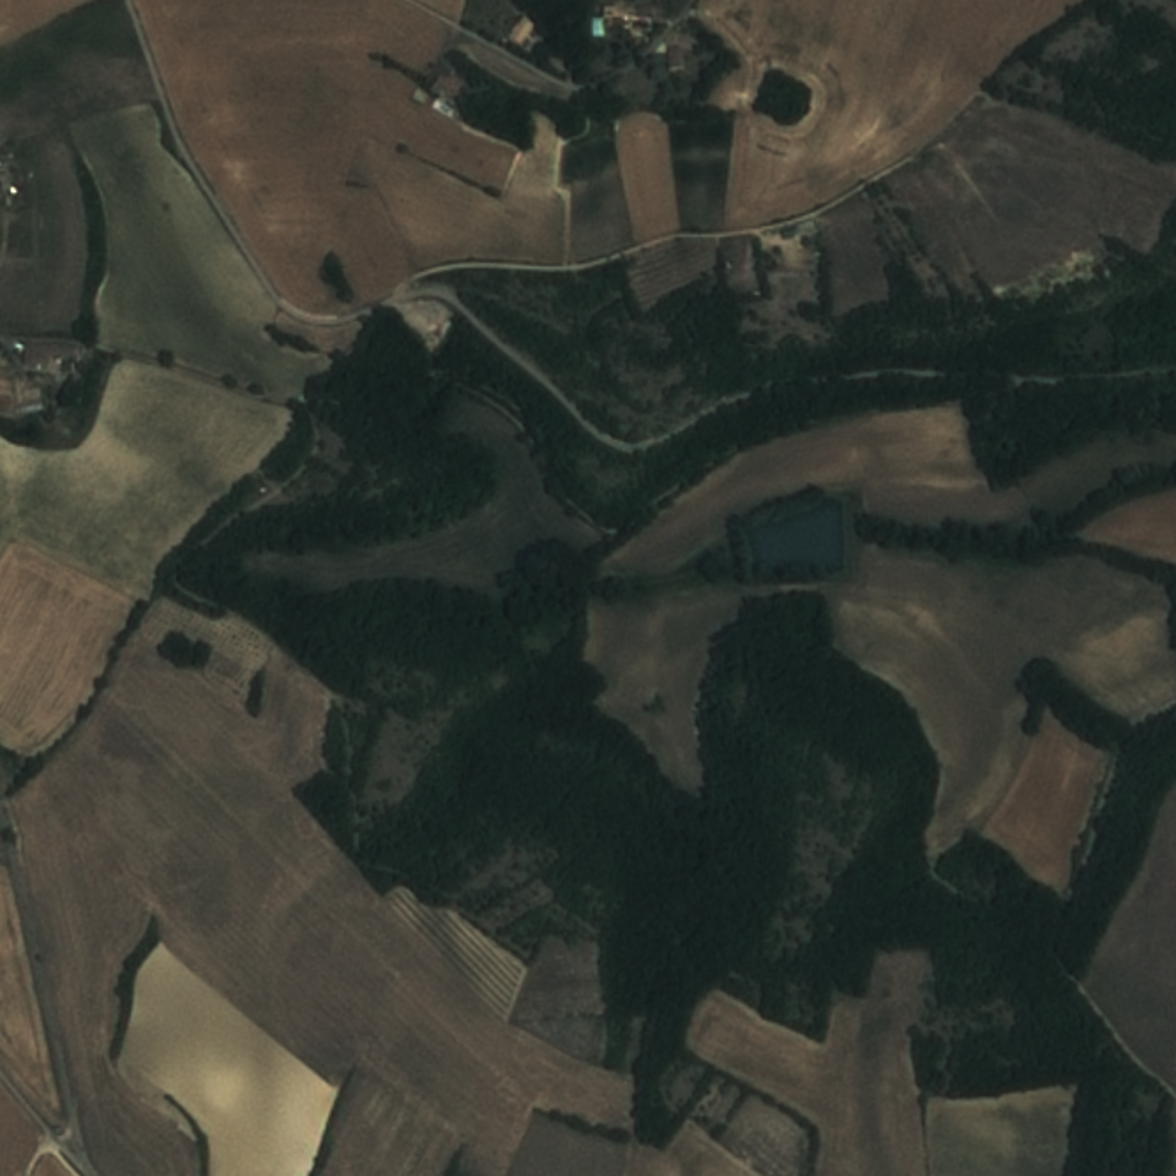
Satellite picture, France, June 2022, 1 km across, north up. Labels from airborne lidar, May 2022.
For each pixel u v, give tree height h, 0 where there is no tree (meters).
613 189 0
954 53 0
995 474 15
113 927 0
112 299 0
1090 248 0
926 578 0
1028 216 0
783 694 13
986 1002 10
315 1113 0
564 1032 0
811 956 9
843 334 7
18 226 0
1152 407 23
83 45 0
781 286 0
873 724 13
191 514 0
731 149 0
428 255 0
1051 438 21
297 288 0
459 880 7
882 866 15
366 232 0
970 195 0
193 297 0
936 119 0
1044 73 8
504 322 9
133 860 0
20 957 0
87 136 0
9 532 0
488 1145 0
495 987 0
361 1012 0
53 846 0
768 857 11
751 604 16
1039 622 0
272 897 0
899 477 0
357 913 0
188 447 0
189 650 11
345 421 12
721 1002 0
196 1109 0
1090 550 13
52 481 0
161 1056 0
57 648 0
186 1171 0
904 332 6
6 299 0
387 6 0
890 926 19
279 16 0
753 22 0
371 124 0
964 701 0
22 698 0
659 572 0
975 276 6
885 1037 0
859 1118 0
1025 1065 9
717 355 11
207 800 0
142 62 0
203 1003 0
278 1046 0
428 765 6
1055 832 0
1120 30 9
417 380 13
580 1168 0
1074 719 19
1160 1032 0
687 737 0
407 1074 0
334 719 7
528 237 0
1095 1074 12
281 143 0
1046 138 0
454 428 0
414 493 8
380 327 12
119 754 0
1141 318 10
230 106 0
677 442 13
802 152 0
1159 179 0
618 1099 0
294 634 11
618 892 7
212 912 0
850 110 0
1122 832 11
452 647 12
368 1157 0
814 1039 7
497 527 0
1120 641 0
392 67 8
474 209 0
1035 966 18
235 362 0
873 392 15
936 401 16
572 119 12
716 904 19
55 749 5
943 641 0
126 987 6
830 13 0
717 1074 5
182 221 0
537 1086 0
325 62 0
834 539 0
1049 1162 0
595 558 12
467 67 12
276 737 0
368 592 12
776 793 8
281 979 0
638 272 0
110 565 0
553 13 13
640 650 0
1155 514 0
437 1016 0
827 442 0
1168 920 0
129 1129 0
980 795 0
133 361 0
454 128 0
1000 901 14
